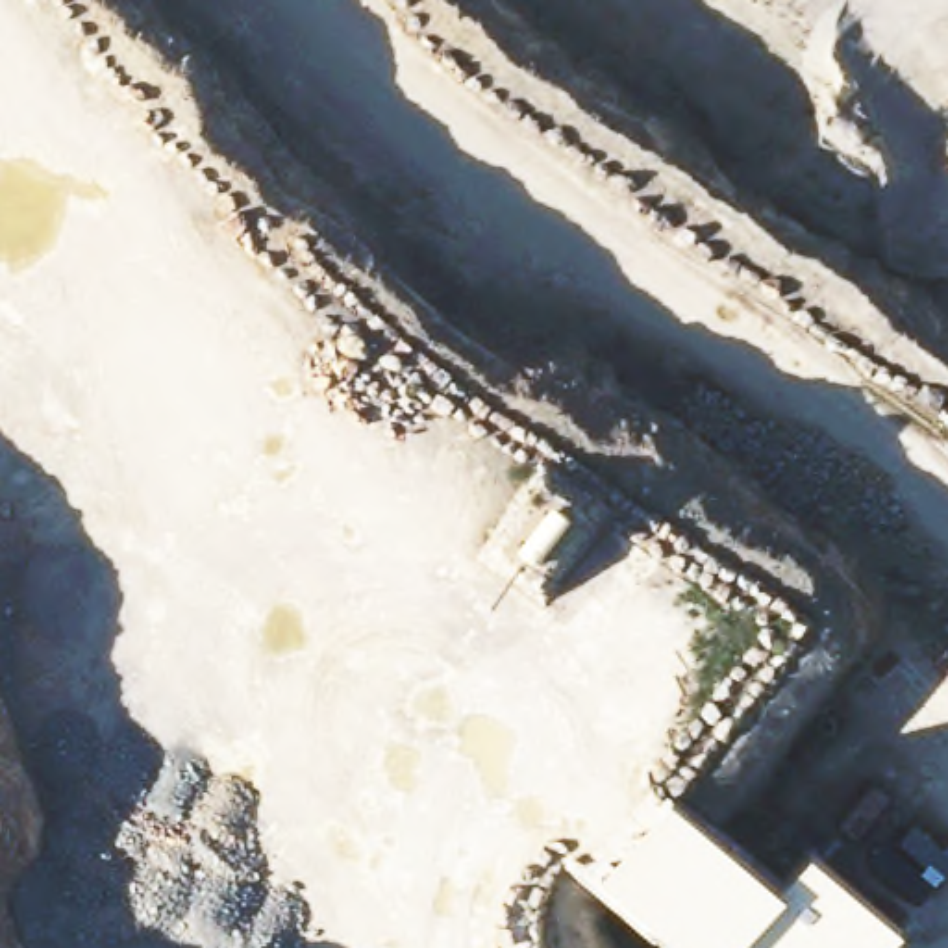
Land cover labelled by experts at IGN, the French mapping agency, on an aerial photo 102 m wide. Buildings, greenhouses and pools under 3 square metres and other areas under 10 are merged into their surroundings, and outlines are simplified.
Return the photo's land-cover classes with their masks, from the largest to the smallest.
<instances>
[{"label":"pervious surface","instance_id":"1","mask_svg":"<svg viewBox=\"0 0 948 948\"><path fill-rule=\"evenodd\" d=\"M689 585H700L726 611H741V593L755 600L759 641L737 659L733 670H726L715 681L707 707L689 704L700 678L692 637L707 630L704 607L678 604V596ZM674 807L696 830H704L722 852H730L744 870H752L774 896L789 889L807 867H822L900 933V948H948V0H0V948H655L630 922H622L600 896H593L578 878H570L563 859H578L585 867L596 859L600 867H611V859L630 855V844L641 830L659 826Z\"/></svg>","mask_w":948,"mask_h":948},{"label":"building","instance_id":"2","mask_svg":"<svg viewBox=\"0 0 948 948\"><path fill-rule=\"evenodd\" d=\"M570 878H578L593 896H600L622 922H630L655 948H900V933L822 867H807L789 889L774 896L752 870H744L730 852H722L704 830H696L674 807L659 826L641 830L630 844V855L611 859V867H600L596 859L585 867L578 859H563Z\"/></svg>","mask_w":948,"mask_h":948},{"label":"herbaceous vegetation","instance_id":"3","mask_svg":"<svg viewBox=\"0 0 948 948\"><path fill-rule=\"evenodd\" d=\"M678 604L704 607L707 630L692 637L700 678L689 704L707 707L715 681L726 670H733L737 659L759 641L755 600L741 593V611H726L700 585H689L678 596Z\"/></svg>","mask_w":948,"mask_h":948}]
</instances>
